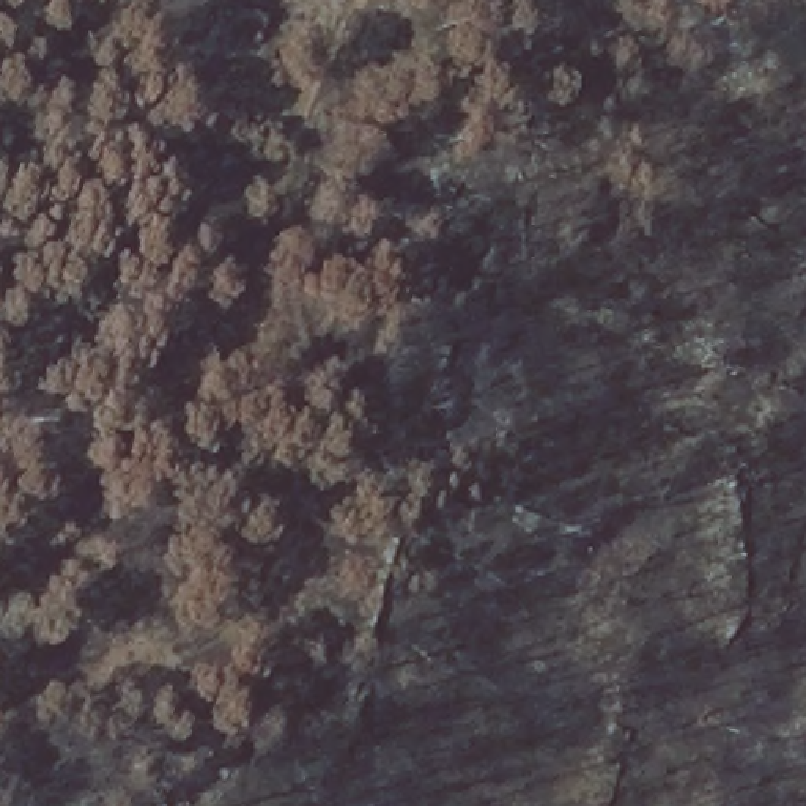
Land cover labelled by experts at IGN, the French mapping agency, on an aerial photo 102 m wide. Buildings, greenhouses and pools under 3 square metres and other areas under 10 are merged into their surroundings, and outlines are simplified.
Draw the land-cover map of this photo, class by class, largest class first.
<instances>
[{"label":"coniferous trees","instance_id":"1","mask_svg":"<svg viewBox=\"0 0 806 806\"><path fill-rule=\"evenodd\" d=\"M775 0H0V806H145L151 787L161 778H186L195 765L217 771L227 768L239 781H258L274 768L271 746L283 734V715H274L264 702L261 680L271 674V667L261 661V642L255 636L233 633L230 617H255L258 623H268L280 614L283 605H290L302 592L305 579L324 573L334 576L337 595L362 601V579L372 576L378 567L390 564L394 554L412 557L419 545H463L479 532L485 513L501 507V469L510 457L504 444H479L466 453V447L457 441L444 447L434 460H412L409 466H390L372 475L375 434H381L394 412H400L412 400L419 368L441 340H463L482 353L488 346V327L507 309H532L542 299H564L567 287L576 277L598 287L601 296L617 309H630L639 302V293L652 280L649 258L655 252L658 233L664 230L661 217H655L652 211L649 195L652 173L645 170L642 157L645 123H655L667 107L690 104L696 85L683 76V66L690 69L712 60L715 54H727L730 41H740V28L762 22Z\"/></svg>","mask_w":806,"mask_h":806},{"label":"bare soil","instance_id":"2","mask_svg":"<svg viewBox=\"0 0 806 806\"><path fill-rule=\"evenodd\" d=\"M683 76L696 85L690 104L667 107L655 123H645L642 157L645 170L652 173L649 195L652 211L655 217H661L664 230L658 233L655 252L649 258L652 280L639 293V302L630 309H617L601 296L598 287L576 277L567 287L564 299H542L532 309H507L488 327V346L482 353L463 340H441L419 368L412 400L400 412H394L381 434H375L372 475L390 466H409L412 460H434L444 447L457 441L466 447V453L479 444H504L510 457L501 469V507L485 513L479 532L463 545H419L412 557L394 554L390 564L378 567L372 576L362 579V601L337 595L334 576L324 573L305 579L302 592L290 605H283L280 614L268 623H258L255 617H230L233 633L255 636L261 642V661L271 667V674L261 680L264 702L274 715H283V734L271 746L274 768L258 781H239L227 768L217 771L195 765L186 778H161L151 787L145 806H806V0H775L762 22L740 28V41H730L727 54H715L712 60L690 69L683 66Z\"/></svg>","mask_w":806,"mask_h":806}]
</instances>
